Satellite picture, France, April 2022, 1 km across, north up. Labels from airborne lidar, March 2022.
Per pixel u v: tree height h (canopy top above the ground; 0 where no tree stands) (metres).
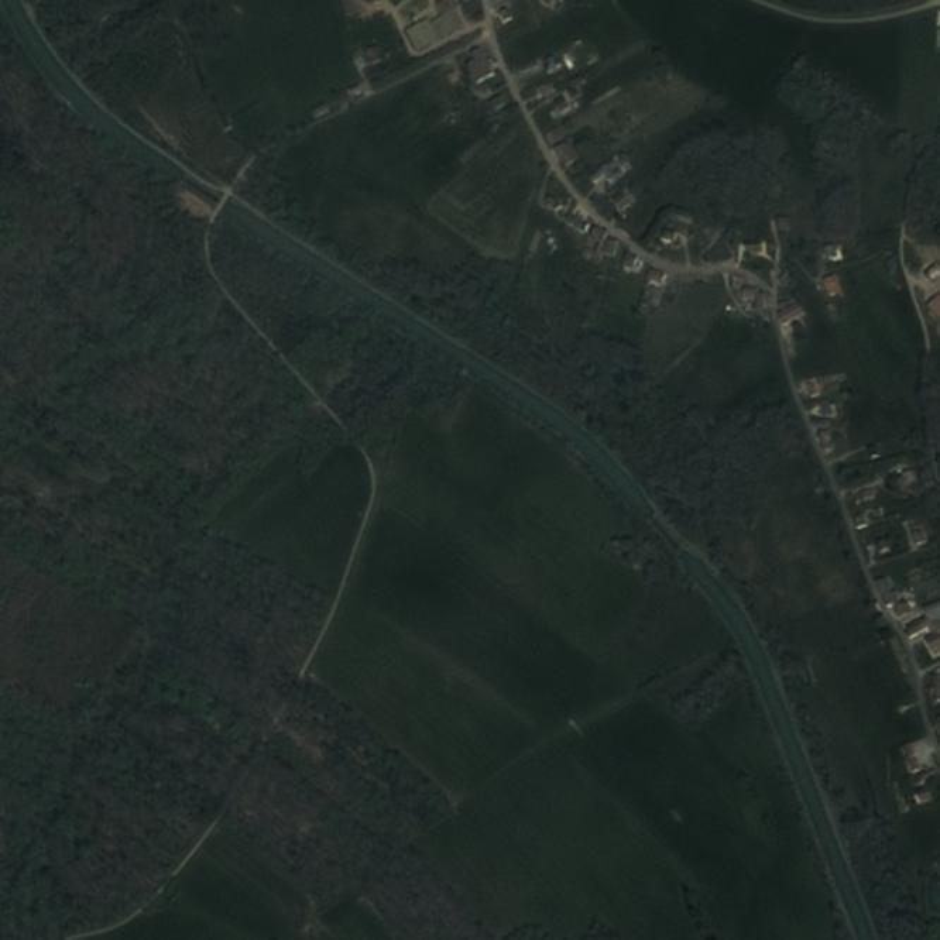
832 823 0
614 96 0
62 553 21
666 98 0
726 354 0
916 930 28
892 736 0
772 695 0
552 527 0
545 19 0
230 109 0
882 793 0
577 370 23
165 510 28
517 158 0
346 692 0
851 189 17
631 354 24
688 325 0
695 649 0
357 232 0
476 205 0
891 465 0
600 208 15
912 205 11
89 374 24
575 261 0
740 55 0
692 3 0
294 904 0
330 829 33
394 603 0
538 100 0
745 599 15
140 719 31
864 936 0
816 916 0
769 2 0
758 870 0
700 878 0
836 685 0
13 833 23
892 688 0
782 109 0
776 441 18
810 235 0
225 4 0
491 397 13
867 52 0
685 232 0
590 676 0
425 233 0
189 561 19
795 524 0
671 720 0
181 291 21
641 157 0
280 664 29
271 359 24
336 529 0
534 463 0
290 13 0
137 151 0
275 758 25
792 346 0
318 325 16
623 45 0
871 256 0
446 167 0
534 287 0
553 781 0
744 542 0
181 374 26
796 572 0
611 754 0
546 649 0
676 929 0
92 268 21
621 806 0
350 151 0
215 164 0
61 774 26
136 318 22
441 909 30
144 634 31
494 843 0
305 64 0
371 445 21
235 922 0
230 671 28
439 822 18
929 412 19
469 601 0
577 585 0
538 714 0
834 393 0
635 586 0
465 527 0
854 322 0
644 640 0
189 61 0
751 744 0
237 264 13
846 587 0
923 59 0
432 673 0
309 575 0
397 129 0
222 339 18
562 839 0
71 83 0
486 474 0
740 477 21
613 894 0
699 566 0
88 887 30
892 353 0
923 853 0
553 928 0
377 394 18
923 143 8
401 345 22
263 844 26
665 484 18
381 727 0
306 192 0
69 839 29
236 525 0
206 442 26
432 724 0
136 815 31
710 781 0
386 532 0
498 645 0
